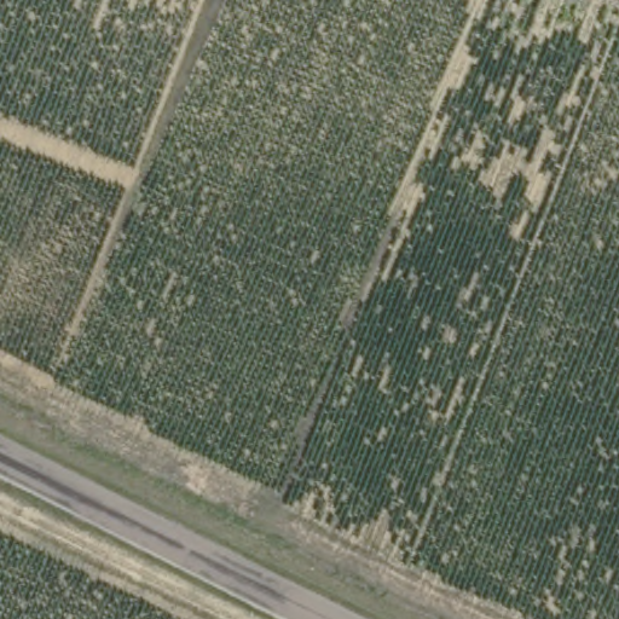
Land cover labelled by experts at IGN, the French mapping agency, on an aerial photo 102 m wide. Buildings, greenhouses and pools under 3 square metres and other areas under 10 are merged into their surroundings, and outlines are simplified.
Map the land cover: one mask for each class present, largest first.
<instances>
[{"label":"vineyard","instance_id":"1","mask_svg":"<svg viewBox=\"0 0 619 619\"><path fill-rule=\"evenodd\" d=\"M0 351L39 368L58 384L85 399H92L126 416H140L150 433L167 438L189 452L218 462L251 481H259L261 486L278 488L285 503L302 501L305 493H312L314 517H319L324 508L322 486L326 484L331 488L336 508L326 517L329 525H339L341 530H346L348 525H365L377 520L380 510H384L389 515V530L399 527L409 532V539L399 546L404 563L423 566L426 571L440 575L445 583L459 590H469L479 597L501 602L532 619H619V0H0ZM0 619H177L164 609L121 588H114L104 580H92L85 571L53 559L51 554L39 551L31 544L15 539L12 534L0 532Z\"/></svg>","mask_w":619,"mask_h":619},{"label":"herbaceous vegetation","instance_id":"2","mask_svg":"<svg viewBox=\"0 0 619 619\"><path fill-rule=\"evenodd\" d=\"M0 435L365 619H532L501 602L479 597L469 590H459L445 583L440 575L426 571L423 566L404 563L399 546L409 539V532L399 527L389 530V515L384 510H380L377 520L365 525H348L346 530H341L339 525H329L326 517L336 508L331 488L326 484L322 486L324 508L319 517H314L312 493H305L302 501L285 503L278 488L261 486L259 481H251L218 462L189 452L167 438L150 433L140 416H126L92 399H85L58 384L39 368L0 351ZM0 532L12 534L15 539L31 544L39 551L51 554L53 559L85 571L92 580H104L114 588H121L164 609L177 619H278L7 481H0Z\"/></svg>","mask_w":619,"mask_h":619},{"label":"impervious surface","instance_id":"3","mask_svg":"<svg viewBox=\"0 0 619 619\"><path fill-rule=\"evenodd\" d=\"M0 481H7L278 619H365L0 435Z\"/></svg>","mask_w":619,"mask_h":619}]
</instances>
